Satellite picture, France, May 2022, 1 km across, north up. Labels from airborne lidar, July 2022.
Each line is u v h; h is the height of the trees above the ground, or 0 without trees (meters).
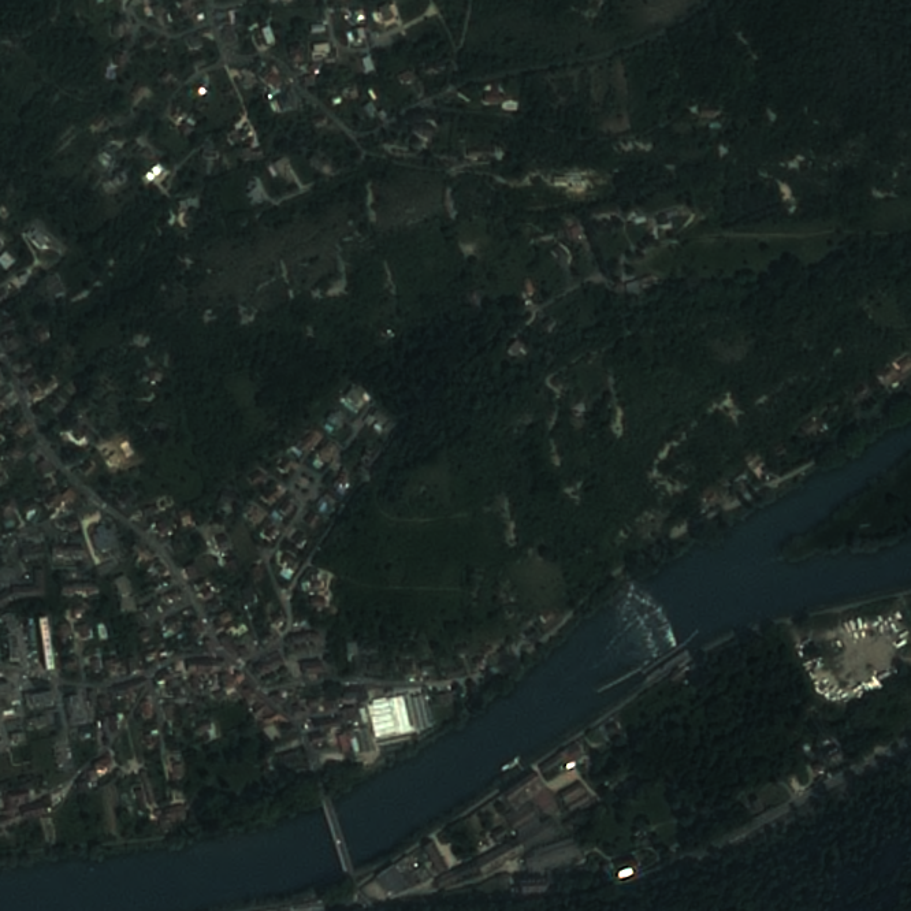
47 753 0
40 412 13
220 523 13
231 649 0
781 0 12
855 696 0
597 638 0
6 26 12
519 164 8
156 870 0
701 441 7
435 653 7
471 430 10
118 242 6
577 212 13
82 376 11
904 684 17
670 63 7
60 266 5
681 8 0
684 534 0
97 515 0
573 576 9
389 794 0
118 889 0
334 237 0
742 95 10
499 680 32
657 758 18
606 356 6
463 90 14
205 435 9
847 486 0
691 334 6
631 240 0
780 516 0
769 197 11
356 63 8
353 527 7
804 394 10
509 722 0
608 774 19
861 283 8
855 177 13
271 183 0
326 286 8
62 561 0
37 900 0
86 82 7
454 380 12
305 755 13
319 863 0
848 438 22
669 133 11
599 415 13
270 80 0
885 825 24
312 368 16
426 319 9
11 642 0
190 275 9
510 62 8
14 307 17
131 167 7
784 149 10
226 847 0
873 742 21
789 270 17
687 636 0
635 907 30
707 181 10
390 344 7
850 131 8
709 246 0
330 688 15
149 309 7
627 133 6
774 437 13
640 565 32
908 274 15
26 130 11
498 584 7
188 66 8
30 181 11
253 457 8
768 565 0
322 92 6
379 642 6
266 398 15
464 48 6
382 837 0
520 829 0
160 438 15
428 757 0
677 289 15
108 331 0
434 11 0
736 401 9
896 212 0
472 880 6
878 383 6
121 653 10
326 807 0
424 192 0
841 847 24
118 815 13
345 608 6
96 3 0
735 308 10
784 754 14
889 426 13
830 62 7
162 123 11
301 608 6
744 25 13
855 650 0
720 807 22
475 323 11
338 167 7
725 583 0
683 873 21
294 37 7
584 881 25
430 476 0
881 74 8
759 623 0
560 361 6
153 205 15
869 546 16
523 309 14
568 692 0
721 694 8
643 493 20
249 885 0
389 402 13
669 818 0
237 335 7
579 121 17
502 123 8
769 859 15
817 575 0
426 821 0
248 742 17
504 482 8
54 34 8
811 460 8
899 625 0
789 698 17
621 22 6
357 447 7
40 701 0
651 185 12
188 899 0
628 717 0
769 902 25
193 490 0
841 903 14
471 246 0
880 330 11
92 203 15
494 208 8
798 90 12
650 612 0
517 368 6
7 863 14
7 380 11
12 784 7
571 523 7
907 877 17
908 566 0
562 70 6
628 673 0
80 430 0
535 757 0
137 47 7
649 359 17
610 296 15
